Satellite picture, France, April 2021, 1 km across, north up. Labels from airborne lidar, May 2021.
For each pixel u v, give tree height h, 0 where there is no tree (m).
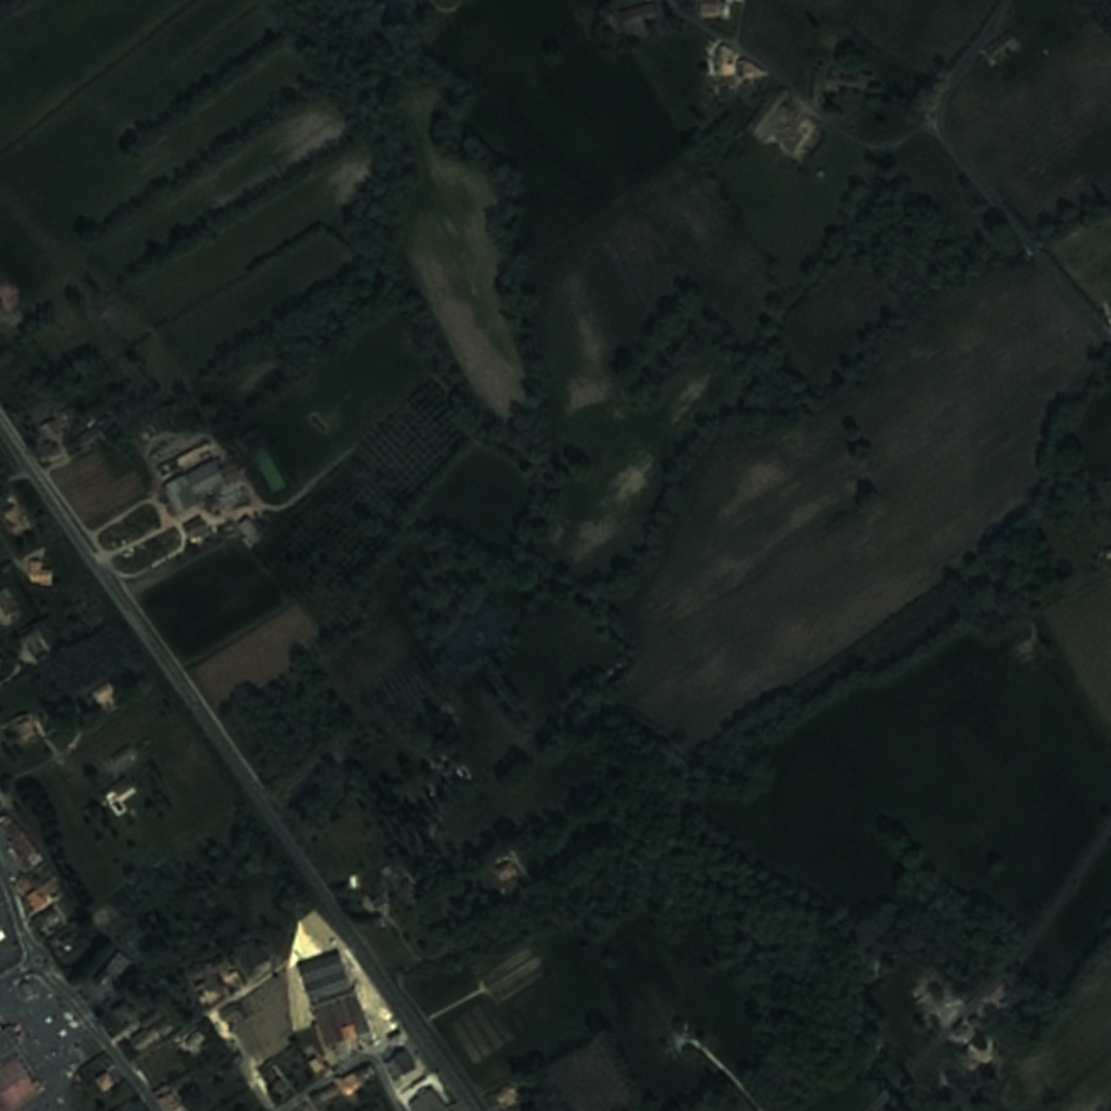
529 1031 0
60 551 0
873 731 0
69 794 0
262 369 0
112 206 0
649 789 23
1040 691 0
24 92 0
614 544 0
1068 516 17
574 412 0
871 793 0
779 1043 18
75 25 0
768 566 0
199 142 0
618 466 0
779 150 0
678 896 18
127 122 0
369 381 0
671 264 0
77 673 18
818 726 0
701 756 6
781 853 0
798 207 0
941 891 9
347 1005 0
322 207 0
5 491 9
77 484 0
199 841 0
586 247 0
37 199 0
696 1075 0
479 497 0
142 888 17
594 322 0
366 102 22
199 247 14
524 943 10
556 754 22
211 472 0
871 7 0
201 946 6
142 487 0
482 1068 0
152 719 0
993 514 0
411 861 14
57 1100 0
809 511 0
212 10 0
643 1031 0
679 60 0
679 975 0
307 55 18
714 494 0
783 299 12
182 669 0
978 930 22
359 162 0
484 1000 0
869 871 0
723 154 12
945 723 0
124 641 16
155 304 0
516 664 0
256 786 0
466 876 21
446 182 0
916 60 0
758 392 21
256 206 17
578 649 0
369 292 20
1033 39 0
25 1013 0
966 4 0
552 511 19
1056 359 0
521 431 17
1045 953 0
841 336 0
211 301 0
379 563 20
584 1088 22
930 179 0
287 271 0
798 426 21
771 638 0
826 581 0
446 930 17
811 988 29
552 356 0
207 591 0
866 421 0
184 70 0
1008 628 17
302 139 0
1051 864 0
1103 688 0
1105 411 0
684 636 0
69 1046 0
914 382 0
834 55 0
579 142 0
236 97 0
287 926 16
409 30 24
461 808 17
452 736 19
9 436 0
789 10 0
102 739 0
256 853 20
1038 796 0
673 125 0
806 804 0
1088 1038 0
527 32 0
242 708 17
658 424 0
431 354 20
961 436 0
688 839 21
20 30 0
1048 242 14
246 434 0
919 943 24
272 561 12
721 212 0
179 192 9
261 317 0
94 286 21
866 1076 8
